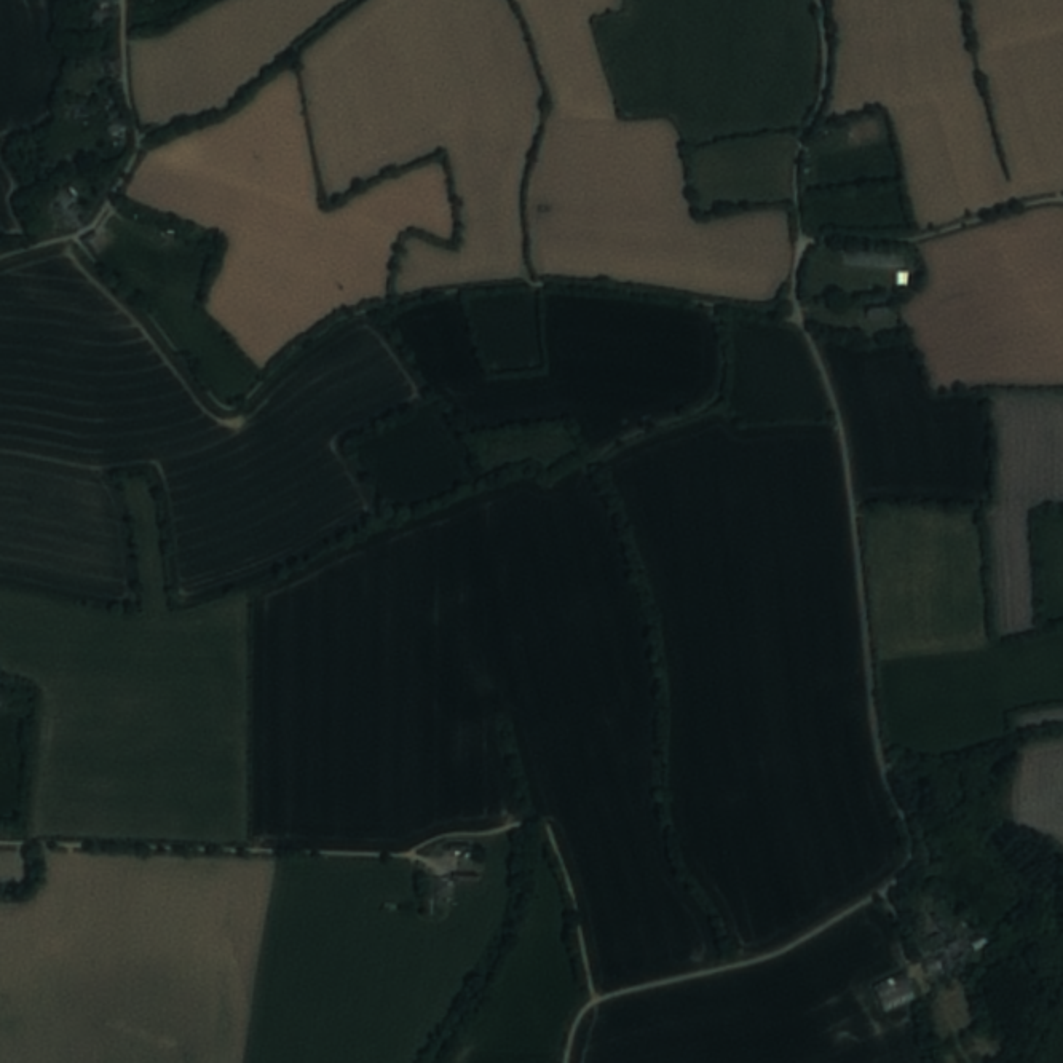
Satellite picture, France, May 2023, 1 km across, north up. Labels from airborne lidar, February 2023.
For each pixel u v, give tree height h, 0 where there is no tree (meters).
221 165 0
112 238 0
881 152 0
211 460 0
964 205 0
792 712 0
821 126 8
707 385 0
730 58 0
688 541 0
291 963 0
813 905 0
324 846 0
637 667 0
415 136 0
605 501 13
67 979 0
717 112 0
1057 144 0
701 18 0
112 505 0
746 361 0
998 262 0
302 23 0
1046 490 0
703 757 0
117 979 0
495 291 9
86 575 0
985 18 0
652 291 7
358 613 0
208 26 0
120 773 0
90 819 0
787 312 12
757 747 0
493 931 0
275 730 0
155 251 0
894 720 0
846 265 0
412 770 0
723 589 0
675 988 0
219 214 0
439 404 13
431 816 0
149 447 0
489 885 0
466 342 0
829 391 0
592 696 0
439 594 0
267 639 0
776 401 0
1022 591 0
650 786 0
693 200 13
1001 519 0
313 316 0
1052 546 0
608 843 0
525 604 0
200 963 0
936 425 0
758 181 0
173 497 0
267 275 0
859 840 0
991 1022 9
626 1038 0
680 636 0
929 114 0
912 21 0
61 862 0
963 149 0
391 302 9
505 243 0
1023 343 0
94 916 0
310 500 0
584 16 0
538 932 0
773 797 0
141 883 0
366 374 0
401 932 0
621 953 0
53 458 0
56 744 0
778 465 0
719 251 0
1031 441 0
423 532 0
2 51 0
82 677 0
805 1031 0
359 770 0
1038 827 0
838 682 0
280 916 0
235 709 0
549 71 0
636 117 0
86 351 0
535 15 0
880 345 12
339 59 0
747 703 0
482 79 0
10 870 0
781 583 0
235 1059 0
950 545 0
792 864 0
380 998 0
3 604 0
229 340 10
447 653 0
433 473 0
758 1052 0
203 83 0
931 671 0
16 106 0
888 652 0
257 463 0
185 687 0
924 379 11
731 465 0
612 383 0
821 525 0
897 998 0
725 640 0
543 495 0
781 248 0
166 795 0
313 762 0
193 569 0
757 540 0
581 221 0
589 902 0
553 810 0
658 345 0
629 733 0
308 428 0
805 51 0
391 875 0
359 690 0
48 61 0
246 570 0
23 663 0
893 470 0
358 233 0
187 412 0
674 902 0
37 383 0
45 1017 0
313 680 0
